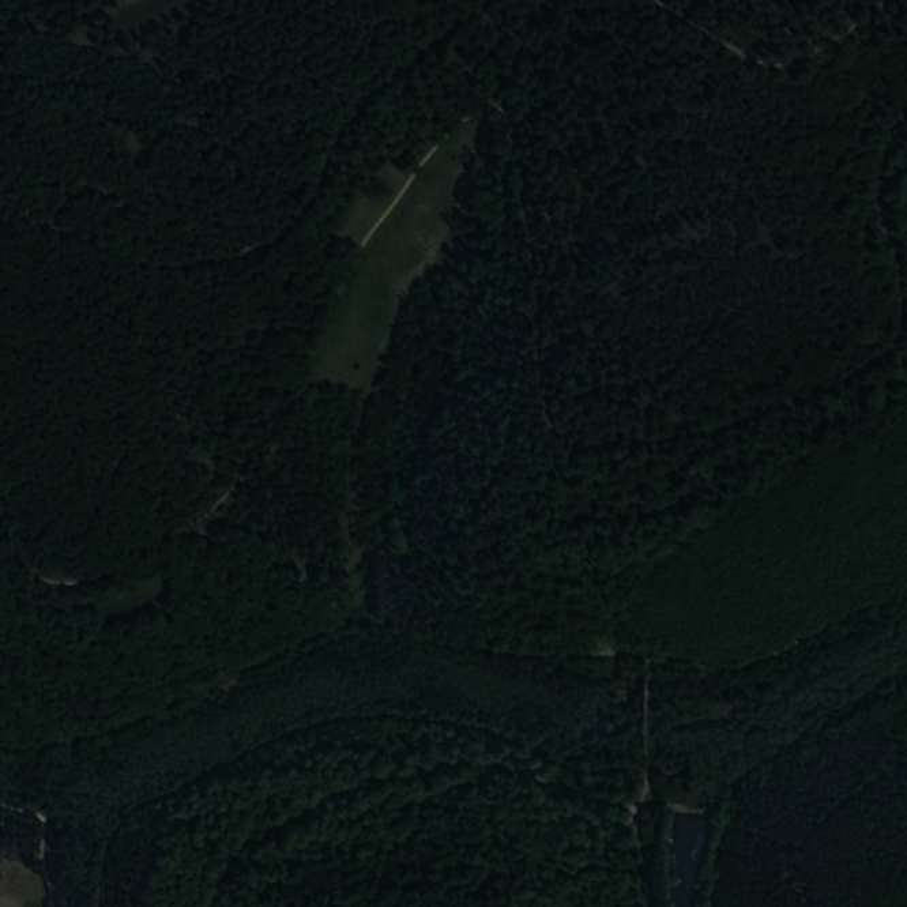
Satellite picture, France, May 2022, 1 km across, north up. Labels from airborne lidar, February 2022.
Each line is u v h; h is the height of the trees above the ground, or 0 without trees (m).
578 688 22
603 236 11
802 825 20
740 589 20
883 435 20
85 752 15
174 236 21
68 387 21
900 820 21
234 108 28
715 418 33
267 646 16
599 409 33
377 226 0
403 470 12
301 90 29
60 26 20
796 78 28
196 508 24
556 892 33
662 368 9
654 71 32
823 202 11
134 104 12
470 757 34
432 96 35
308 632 15
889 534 18
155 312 22
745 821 15
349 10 28
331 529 15
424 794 16
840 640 11
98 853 20
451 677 19
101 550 19
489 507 32
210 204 25
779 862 25
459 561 34
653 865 33
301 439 11
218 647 24
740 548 21
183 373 23
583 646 18
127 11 0
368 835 29
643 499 37
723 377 12
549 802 27
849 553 18
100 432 23
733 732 25
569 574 9
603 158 33
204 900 26
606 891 13
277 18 20
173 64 25
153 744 18
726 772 24
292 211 29
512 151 35
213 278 25
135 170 23
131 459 21
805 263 9
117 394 23
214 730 19
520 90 30
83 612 22
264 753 15
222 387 19
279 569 24
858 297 12
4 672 20
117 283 24
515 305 31
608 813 23
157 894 28
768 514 19
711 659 16
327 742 14
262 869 33
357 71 29
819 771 23
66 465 24
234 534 22
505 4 34
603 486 34
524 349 30
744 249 11
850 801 23
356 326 0
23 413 21
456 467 32
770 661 10
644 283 9
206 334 25
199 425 23
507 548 30
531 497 31
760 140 10
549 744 14
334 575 27
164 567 25
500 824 26
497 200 38
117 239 24
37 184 24
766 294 7
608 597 30
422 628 18
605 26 35
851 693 20
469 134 0
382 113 35
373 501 12
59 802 8
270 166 26
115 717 21
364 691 20
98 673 23
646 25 37
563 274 34
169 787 19
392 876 16
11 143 26
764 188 11
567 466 32
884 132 12
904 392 33
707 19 35
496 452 33
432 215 0
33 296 24
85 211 24
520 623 16
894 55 13
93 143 25
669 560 19
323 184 31
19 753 21
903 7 17
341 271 22
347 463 10
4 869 0
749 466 32
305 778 33
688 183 8
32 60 14
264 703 18
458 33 27
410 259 0
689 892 0
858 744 23
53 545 15
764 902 15
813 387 11
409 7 27
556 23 39
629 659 13
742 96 8
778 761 23
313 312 24
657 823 32
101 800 20
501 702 17
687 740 20
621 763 24
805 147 14
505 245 37
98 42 14
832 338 12
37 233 24
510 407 31
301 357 29
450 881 27
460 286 42
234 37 23
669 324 14
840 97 10
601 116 37
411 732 13
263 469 10
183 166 25
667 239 30
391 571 28
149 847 10
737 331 13
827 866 19
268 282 24
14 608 26
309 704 19
